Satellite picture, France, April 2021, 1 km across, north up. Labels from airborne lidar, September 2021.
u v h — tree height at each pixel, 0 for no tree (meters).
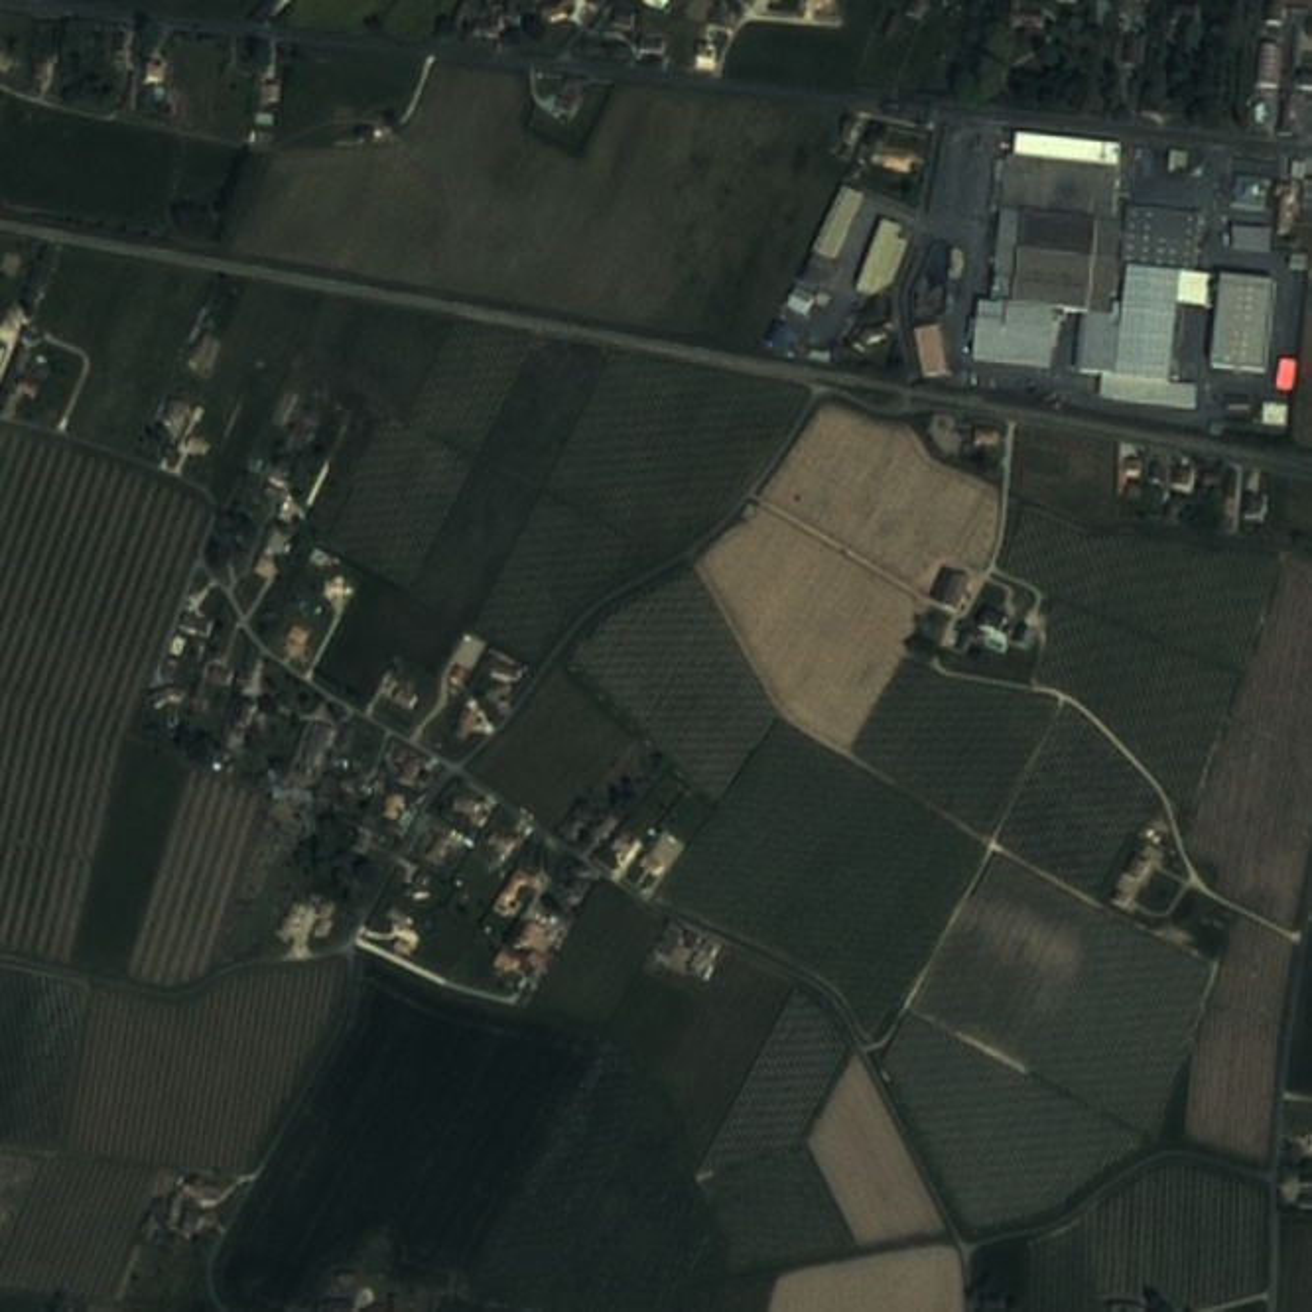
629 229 0
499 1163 0
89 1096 0
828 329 0
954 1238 0
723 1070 0
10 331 0
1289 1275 0
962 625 7
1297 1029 0
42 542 0
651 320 0
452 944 0
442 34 8
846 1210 0
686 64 0
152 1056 0
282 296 0
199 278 0
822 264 0
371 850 0
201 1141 0
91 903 0
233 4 0
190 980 0
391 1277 0
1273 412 0
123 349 0
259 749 18
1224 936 0
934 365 0
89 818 0
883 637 0
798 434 0
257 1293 0
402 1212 0
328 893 0
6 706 0
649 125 0
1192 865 0
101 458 0
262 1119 0
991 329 0
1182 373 0
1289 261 0
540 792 0
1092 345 0
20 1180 0
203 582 0
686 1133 0
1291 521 0
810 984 0
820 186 0
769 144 0
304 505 12
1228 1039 0
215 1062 0
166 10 0
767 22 0
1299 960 0
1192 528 9
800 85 0
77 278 0
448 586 0
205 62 0
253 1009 0
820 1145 0
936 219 0
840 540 0
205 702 0
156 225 0
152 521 0
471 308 0
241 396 0
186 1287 0
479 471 0
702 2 0
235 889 0
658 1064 0
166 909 0
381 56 0
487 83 0
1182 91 19
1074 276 0
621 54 8
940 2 8
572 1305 0
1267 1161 0
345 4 0
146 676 0
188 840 0
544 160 0
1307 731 0
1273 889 0
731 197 0
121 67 7
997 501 0
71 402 0
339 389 0
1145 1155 0
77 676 0
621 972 0
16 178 0
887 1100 0
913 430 0
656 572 0
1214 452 0
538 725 0
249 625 0
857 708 0
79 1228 0
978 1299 11
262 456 0
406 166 0
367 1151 0
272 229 0
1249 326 0
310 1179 0
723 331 0
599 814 7
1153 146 0
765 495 0
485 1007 0
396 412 0
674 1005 0
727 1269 0
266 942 0
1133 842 0
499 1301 0
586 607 0
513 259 0
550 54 0
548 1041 0
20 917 0
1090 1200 0
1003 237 0
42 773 0
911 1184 0
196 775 0
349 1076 0
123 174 0
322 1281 0
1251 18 11
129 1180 0
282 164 0
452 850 0
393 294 0
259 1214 0
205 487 0
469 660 0
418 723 0
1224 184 0
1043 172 0
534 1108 0
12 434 0
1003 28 22
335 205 0
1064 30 10
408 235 0
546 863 6
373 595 0
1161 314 0
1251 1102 0
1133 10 6
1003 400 0
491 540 0
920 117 18
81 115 0
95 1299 0
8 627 0
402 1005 0
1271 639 0
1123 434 0
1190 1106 0
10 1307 0
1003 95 20
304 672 0
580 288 0
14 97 0
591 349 0
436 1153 0
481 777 0
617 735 0
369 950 0
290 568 13
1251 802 0
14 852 0
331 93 0
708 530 0
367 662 0
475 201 0
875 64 0
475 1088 0
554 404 0
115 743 0
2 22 0
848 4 0
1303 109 0
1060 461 0
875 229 0
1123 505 0
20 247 7
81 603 0
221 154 0
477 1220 0
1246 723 0
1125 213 0
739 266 0
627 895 0
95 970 0
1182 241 0
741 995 0
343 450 0
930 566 0
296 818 6
